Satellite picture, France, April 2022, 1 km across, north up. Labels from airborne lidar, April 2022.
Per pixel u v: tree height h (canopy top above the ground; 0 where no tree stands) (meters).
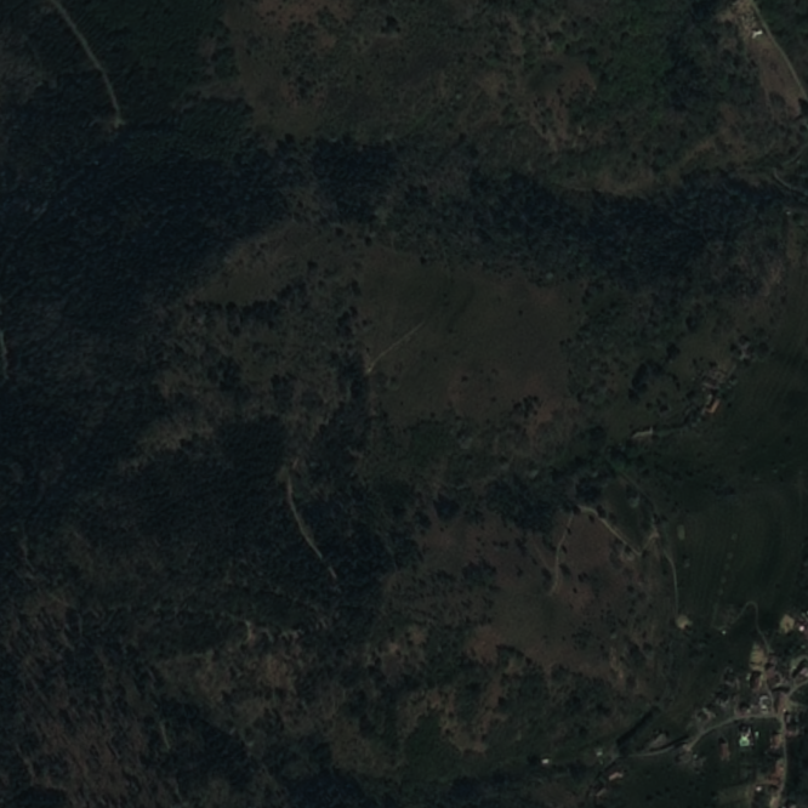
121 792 8
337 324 10
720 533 0
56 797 24
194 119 17
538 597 0
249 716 12
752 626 0
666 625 0
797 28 13
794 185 7
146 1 17
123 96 14
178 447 10
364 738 13
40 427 15
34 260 12
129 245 9
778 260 22
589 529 0
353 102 0
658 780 0
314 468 30
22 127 19
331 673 23
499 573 10
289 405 15
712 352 0
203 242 18
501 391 0
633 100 9
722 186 20
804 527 0
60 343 14
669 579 14
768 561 0
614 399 12
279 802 15
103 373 16
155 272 16
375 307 0
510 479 9
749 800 0
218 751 17
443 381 0
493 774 9
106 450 10
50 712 6
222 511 21
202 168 10
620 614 0
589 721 8
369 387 14
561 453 17
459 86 6
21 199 19
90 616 32
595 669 0
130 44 18
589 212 6
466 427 7
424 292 0
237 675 28
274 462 24
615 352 20
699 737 0
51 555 15
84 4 16
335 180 21
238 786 26
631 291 6
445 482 7
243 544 24
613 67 12
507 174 16
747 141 9
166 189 19
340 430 14
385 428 6
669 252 14
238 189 13
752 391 0
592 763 0
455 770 11
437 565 0
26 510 14
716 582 0
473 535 0
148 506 21
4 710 31
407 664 10
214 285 9
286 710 13
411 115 11
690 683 0
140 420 9
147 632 17
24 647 7
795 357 0
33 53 22
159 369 9
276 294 8
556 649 0
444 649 12
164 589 17
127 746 41
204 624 15
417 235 7
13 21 24
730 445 0
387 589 12
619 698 7
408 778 11
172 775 16
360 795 22
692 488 0
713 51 13
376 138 7
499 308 0
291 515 17
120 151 20
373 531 11
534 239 18
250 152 21
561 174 21
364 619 22
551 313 0
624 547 14
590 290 7
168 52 15
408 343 0
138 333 20
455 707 11
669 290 24
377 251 0
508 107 7
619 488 0
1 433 16
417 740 11
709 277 14
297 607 10
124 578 17
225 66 11
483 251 8
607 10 11
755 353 9
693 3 14
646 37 7
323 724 8
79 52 18
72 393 13
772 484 0
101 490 16
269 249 12
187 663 13
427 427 10
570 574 20
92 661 32
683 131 7
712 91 14
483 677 9
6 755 33
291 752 25
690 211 32
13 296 12
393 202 7
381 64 0
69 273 8
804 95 0
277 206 22
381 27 9
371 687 14
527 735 8
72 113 23
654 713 12
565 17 8
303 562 9
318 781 15
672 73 26
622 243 18
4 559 24
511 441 15
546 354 0
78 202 23
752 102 10
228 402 17
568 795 0
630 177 16
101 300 15
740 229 20
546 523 11
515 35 12
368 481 8
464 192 13
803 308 0
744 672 7
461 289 0
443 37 6
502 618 0
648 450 7
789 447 9
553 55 9
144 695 33
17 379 16
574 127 8
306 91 13
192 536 18
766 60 0
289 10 0
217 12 14
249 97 0
